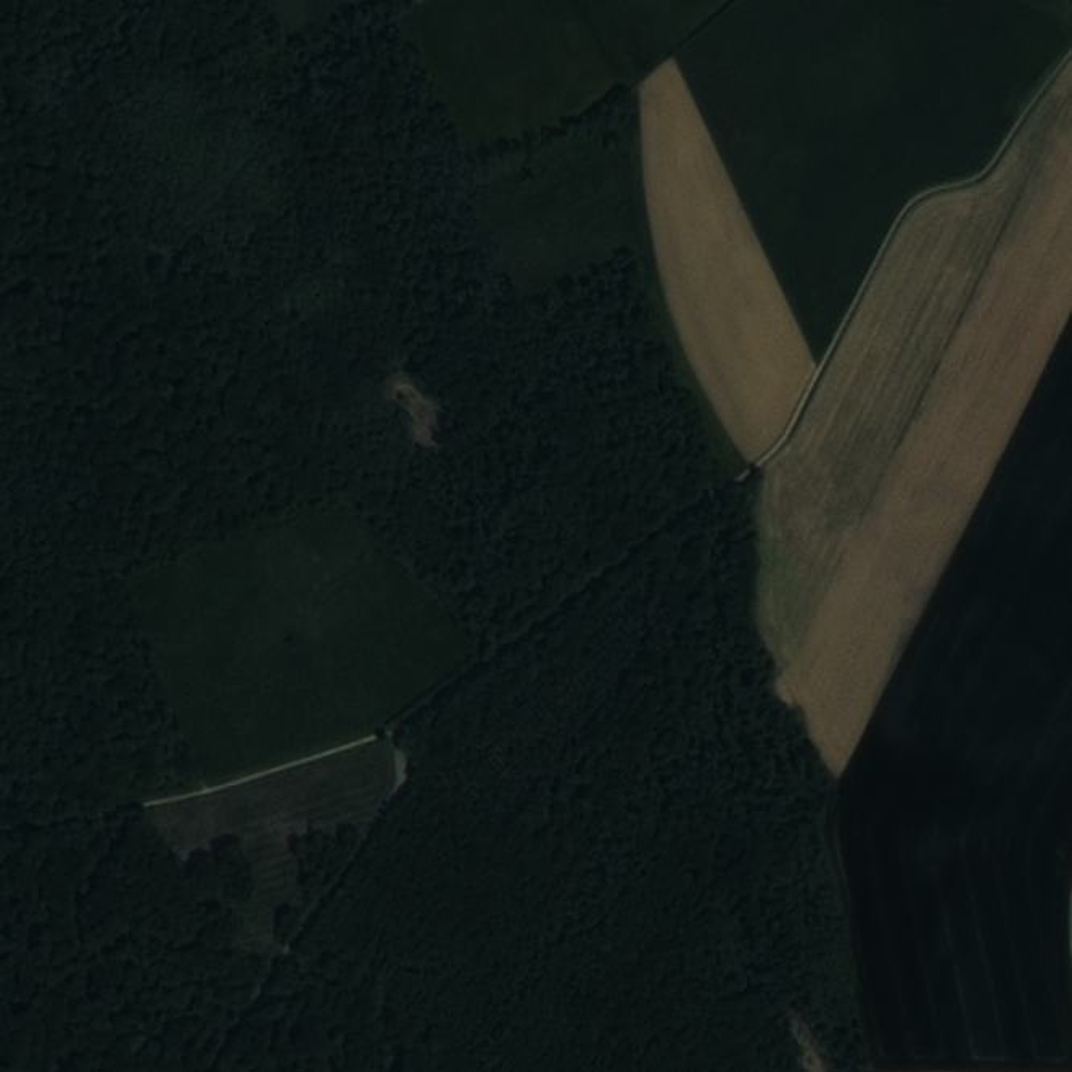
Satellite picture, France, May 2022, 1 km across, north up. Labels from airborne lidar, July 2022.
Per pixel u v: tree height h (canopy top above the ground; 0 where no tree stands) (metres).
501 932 22
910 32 0
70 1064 27
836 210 0
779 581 0
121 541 21
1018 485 0
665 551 26
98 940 27
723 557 18
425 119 28
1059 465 0
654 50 0
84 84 27
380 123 24
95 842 26
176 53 26
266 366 28
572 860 17
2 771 21
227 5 26
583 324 23
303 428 26
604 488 29
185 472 29
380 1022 25
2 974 29
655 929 18
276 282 21
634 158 0
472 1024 18
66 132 27
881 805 0
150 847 22
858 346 0
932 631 0
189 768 22
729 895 22
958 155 0
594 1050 20
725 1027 25
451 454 25
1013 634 0
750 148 0
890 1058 0
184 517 28
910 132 0
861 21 0
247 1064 27
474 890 16
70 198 30
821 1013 28
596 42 0
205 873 22
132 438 32
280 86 16
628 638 33
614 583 26
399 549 25
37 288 22
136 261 26
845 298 0
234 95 25
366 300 19
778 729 12
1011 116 0
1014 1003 0
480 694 25
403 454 20
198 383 9
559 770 16
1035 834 0
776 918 21
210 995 16
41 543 24
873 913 0
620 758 21
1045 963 0
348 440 18
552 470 27
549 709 27
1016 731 0
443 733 25
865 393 0
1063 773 0
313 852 16
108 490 25
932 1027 0
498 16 0
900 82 0
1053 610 0
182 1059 29
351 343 21
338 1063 26
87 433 27
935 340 0
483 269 25
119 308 22
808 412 0
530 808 26
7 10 12
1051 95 0
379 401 27
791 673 0
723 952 14
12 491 27
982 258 0
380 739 15
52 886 29
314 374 24
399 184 18
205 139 27
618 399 23
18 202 24
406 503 17
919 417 0
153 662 20
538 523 25
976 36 0
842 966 24
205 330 22
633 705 24
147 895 18
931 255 0
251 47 26
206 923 19
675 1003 23
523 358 26
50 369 21
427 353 23
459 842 16
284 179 21
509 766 15
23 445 25
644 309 24
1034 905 0
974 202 0
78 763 26
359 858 14
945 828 0
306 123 22
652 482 25
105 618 25
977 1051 0
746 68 0
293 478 22
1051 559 0
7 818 23
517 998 18
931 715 0
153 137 26
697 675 25
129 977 25
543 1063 19
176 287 26
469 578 27
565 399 29
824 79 0
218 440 26
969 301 0
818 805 8
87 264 27
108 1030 21
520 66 0
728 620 28
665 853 18
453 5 0
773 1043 24
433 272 17
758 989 24
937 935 0
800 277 0
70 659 25
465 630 8
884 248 0
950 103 0
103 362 23
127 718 23
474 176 26
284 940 16
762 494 0
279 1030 29
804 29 0
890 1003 0
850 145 0
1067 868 0
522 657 24
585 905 21
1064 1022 0
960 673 0
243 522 24
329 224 26
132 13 24
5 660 19
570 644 23
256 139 19
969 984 0
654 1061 21
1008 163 0
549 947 22
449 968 18
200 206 26
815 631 0
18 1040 30
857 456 0
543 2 0
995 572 0
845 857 0
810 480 0
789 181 0
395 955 18
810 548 0
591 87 0
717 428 0
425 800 17
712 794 25
